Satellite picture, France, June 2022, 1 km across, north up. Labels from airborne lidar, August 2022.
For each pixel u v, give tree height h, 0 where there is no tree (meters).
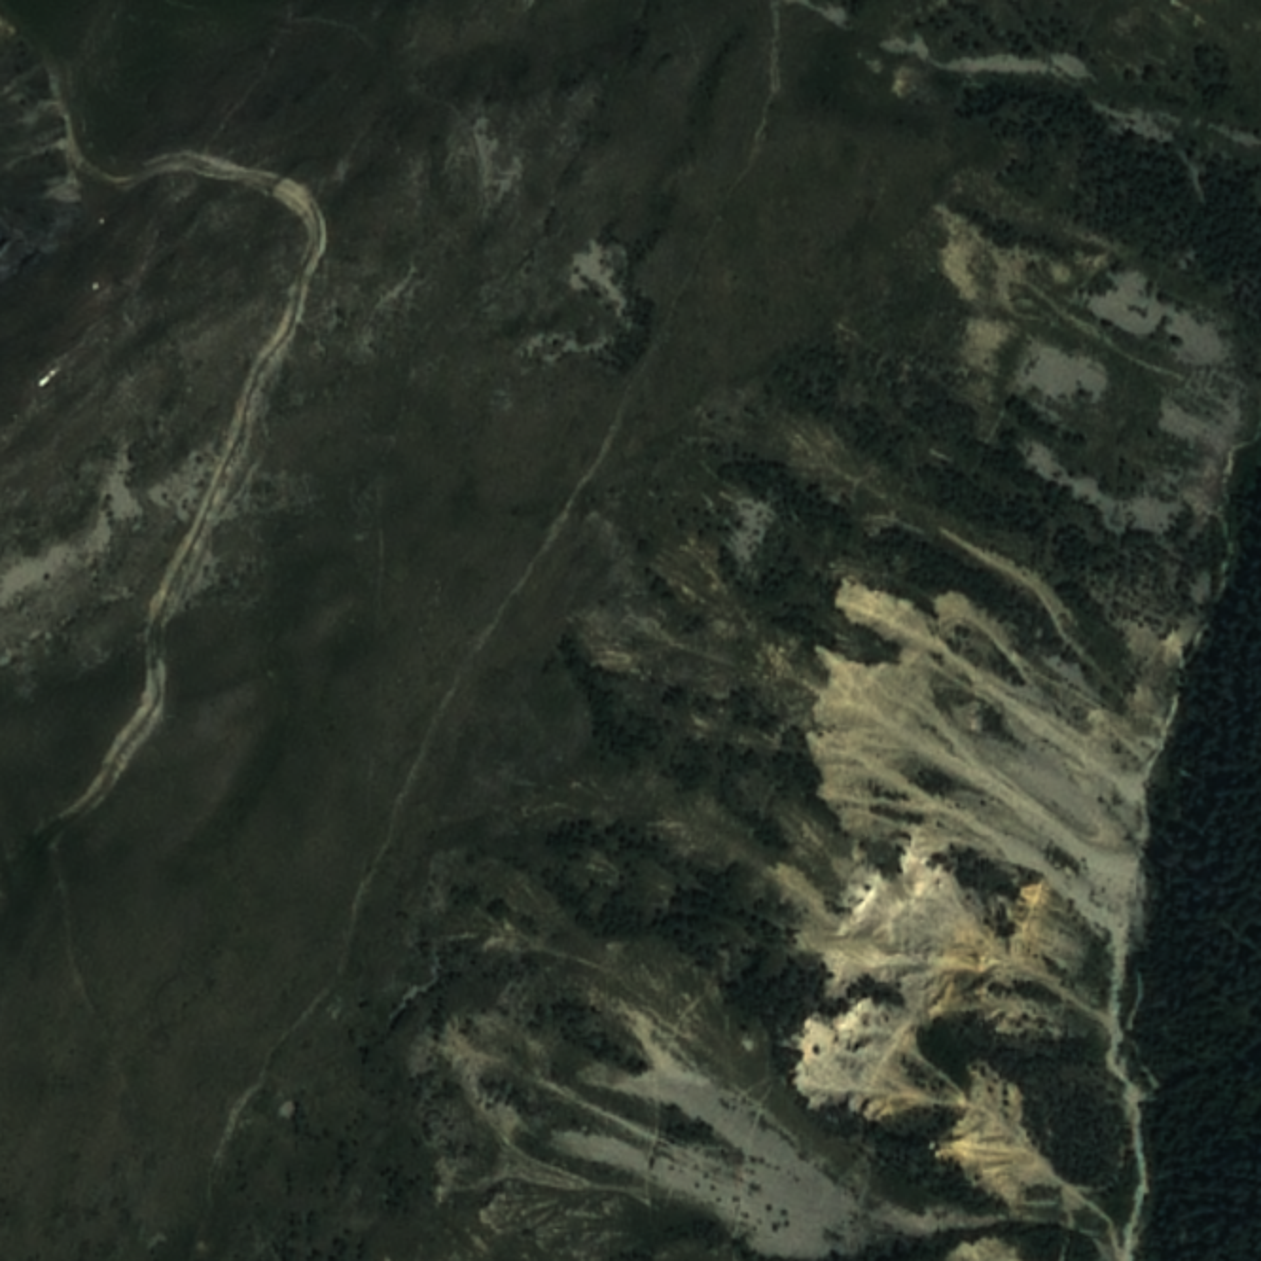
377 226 0
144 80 0
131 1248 0
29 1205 0
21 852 0
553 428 0
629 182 0
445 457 0
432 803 0
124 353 0
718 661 0
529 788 0
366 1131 0
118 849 0
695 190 0
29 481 0
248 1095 0
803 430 0
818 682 0
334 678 0
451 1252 0
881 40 0
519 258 0
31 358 0
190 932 0
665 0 0
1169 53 0
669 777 6
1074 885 0
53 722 0
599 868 0
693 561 0
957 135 0
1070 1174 12
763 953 14
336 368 0
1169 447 0
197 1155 0
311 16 0
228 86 0
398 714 0
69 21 0
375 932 0
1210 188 13
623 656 0
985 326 0
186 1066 0
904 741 0
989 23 15
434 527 0
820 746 0
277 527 0
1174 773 12
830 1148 0
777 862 0
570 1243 0
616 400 0
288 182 0
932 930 0
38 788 0
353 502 0
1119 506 0
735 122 0
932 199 0
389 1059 6
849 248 0
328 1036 0
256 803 0
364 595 0
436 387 0
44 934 0
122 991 0
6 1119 0
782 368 9
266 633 0
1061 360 0
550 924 0
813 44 0
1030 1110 9
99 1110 0
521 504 0
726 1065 0
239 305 0
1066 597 17
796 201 0
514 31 0
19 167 0
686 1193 0
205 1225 0
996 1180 0
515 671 0
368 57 0
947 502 11
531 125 0
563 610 0
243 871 0
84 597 0
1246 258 19
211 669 0
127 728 0
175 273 0
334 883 0
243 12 0
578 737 0
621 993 0
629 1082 0
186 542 0
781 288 0
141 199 0
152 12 0
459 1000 0
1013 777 0
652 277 0
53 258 0
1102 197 11
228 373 0
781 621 12
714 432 0
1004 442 14
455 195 0
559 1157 0
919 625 0
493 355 0
